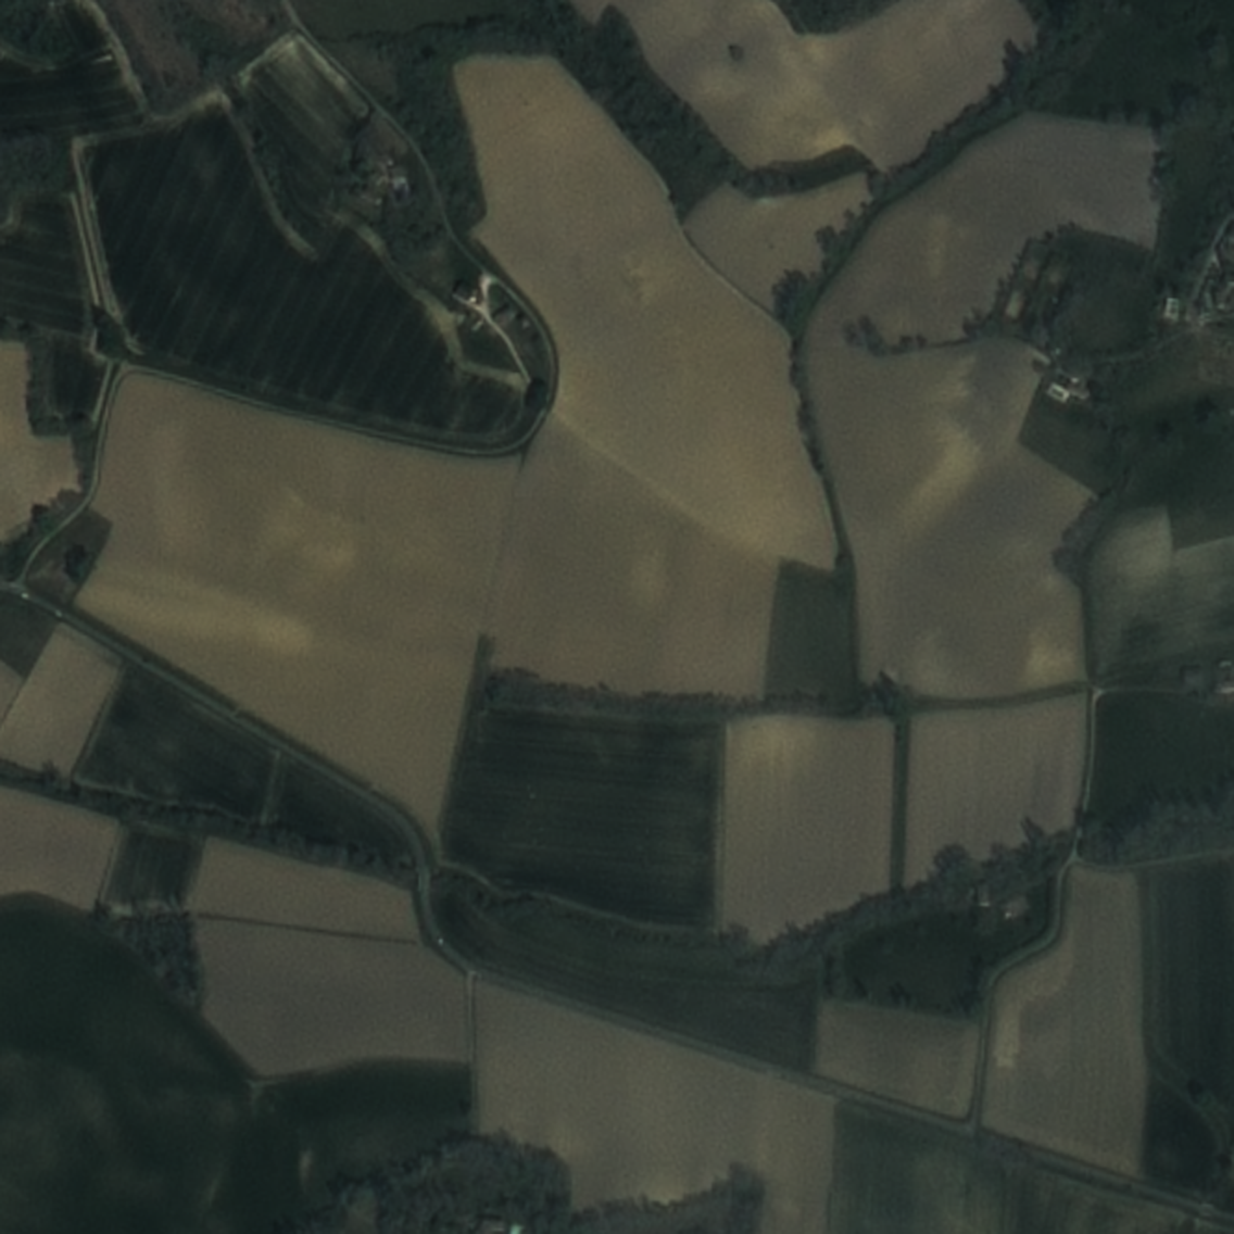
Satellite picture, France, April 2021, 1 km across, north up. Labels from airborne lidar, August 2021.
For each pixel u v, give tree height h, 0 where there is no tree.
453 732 0
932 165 10
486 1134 0
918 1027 0
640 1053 0
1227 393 0
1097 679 0
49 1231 0
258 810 0
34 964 0
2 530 0
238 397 0
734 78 0
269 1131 0
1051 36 17
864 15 23
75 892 0
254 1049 0
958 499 0
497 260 0
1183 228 0
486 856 0
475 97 0
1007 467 0
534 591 0
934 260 0
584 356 0
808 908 0
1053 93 19
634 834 0
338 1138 0
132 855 0
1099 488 0
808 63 0
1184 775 0
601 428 0
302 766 0
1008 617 0
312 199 0
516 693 18
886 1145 0
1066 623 0
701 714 16
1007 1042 0
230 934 0
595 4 0
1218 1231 0
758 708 12
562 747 0
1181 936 0
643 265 0
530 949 0
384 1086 0
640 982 0
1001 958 10
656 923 0
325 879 0
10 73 0
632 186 0
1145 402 0
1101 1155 0
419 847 0
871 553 0
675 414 0
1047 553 0
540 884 0
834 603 0
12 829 0
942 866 0
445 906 0
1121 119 14
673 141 6
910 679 0
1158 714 0
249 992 0
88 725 0
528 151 0
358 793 0
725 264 0
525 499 0
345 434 0
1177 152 9
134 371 0
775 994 0
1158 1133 0
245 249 0
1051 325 11
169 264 0
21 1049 0
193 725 0
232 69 15
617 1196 0
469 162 9
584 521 0
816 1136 0
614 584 0
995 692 0
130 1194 0
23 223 0
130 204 0
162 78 14
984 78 0
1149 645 0
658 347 0
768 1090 0
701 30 0
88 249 0
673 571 0
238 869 0
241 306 0
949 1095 0
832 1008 0
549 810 0
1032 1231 0
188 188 0
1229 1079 0
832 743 0
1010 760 0
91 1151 0
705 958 0
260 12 14
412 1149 0
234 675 0
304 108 0
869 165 11
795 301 27
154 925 16
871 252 0
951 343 0
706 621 0
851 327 0
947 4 0
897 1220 0
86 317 0
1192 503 0
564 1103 0
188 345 0
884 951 13
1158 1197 0
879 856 0
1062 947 0
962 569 0
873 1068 0
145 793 0
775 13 0
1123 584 0
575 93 0
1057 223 0
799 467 0
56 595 0
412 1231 11
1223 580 0
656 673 0
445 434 0
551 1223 17
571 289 0
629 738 0
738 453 0
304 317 0
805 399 8
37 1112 0
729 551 0
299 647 0
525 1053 0
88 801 16
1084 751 0
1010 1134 0
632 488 0
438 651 0
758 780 0
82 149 0
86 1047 0
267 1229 0
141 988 0
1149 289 0
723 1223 0
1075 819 0
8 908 0
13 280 0
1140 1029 0
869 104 0
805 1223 0
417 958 0
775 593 0
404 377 0
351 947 0
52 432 14
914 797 0
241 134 0
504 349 0
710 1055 0
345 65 0
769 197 22
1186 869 0
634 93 9
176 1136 0
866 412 0
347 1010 0
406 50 12
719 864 0
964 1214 0
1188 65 0
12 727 0
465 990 0
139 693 0
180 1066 0
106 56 0
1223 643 0
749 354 0
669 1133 0
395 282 0
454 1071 0
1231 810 20
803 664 0
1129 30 0
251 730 0
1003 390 0
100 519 0
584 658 0
